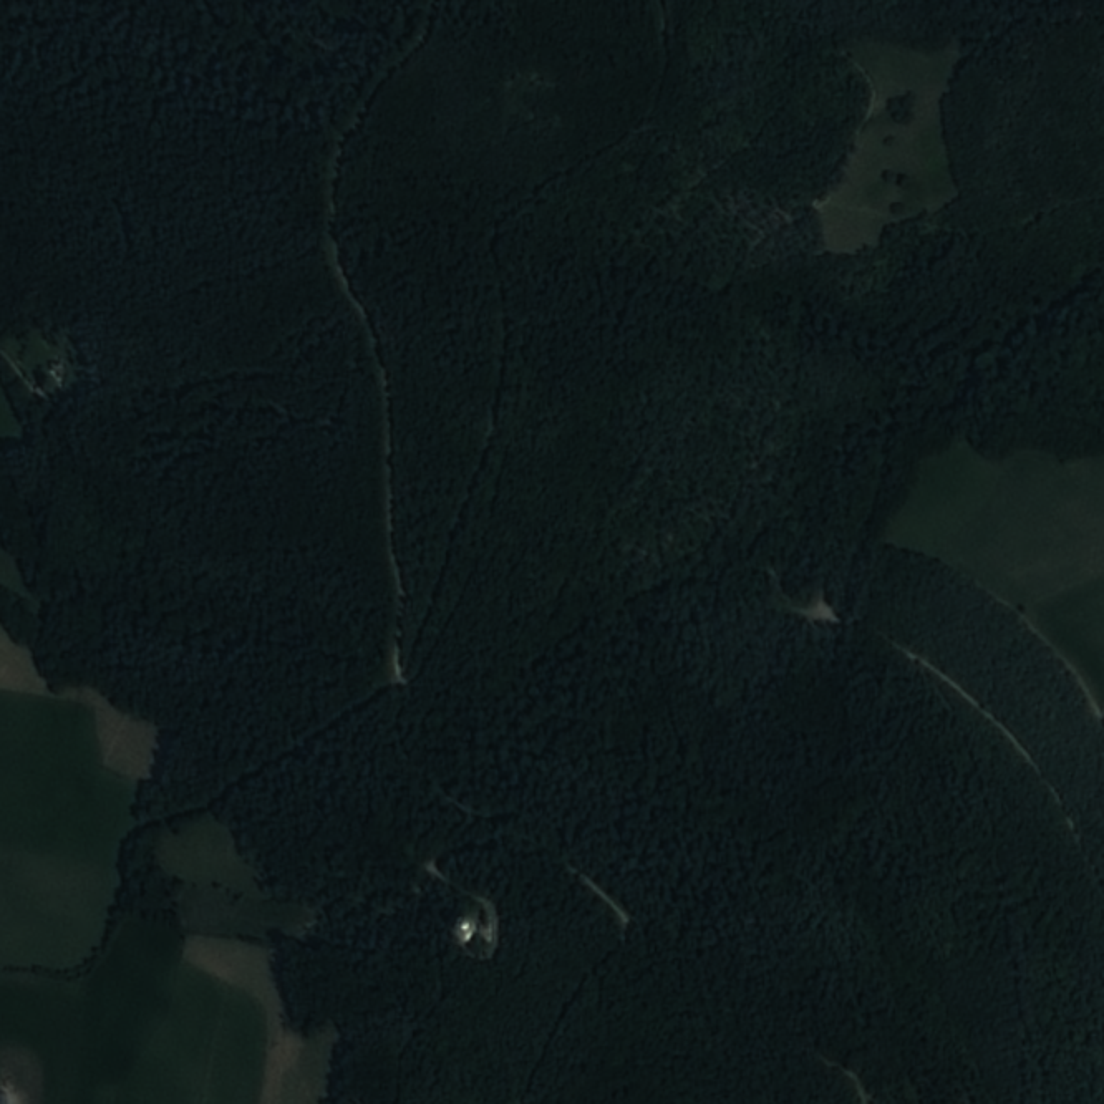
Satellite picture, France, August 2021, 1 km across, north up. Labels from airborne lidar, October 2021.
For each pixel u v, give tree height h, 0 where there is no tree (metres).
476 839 17
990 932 14
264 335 23
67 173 28
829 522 26
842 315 18
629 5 21
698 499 20
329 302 23
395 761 24
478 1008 14
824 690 20
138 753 0
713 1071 19
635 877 31
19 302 23
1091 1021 16
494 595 12
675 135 13
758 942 30
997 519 0
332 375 20
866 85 7
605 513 17
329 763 33
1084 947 14
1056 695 9
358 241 26
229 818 18
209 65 8
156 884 17
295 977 27
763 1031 18
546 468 13
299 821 31
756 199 20
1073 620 0
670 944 24
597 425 15
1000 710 11
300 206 22
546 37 11
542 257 16
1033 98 13
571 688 11
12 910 0
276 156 29
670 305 26
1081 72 10
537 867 28
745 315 15
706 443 25
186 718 24
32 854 0
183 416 24
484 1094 16
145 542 16
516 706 26
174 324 28
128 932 0
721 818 25
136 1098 0
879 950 8
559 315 27
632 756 14
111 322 28
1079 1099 19
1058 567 0
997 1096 10
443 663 20
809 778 30
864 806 19
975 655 12
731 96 19
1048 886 19
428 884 19
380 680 20
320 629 18
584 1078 24
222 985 0
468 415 18
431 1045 19
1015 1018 10
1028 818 12
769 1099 18
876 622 19
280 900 10
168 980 0
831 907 16
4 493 30
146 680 32
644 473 24
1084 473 0
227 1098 0
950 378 24
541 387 22
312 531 22
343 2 21
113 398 25
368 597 24
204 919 0
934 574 14
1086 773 11
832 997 17
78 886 0
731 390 23
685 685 17
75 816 0
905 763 15
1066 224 12
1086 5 26
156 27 26
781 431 14
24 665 0
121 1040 0
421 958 23
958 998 9
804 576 25
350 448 21
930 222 13
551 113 11
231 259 28
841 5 24
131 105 27
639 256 18
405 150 8
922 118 0
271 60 18
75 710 0
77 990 0
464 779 22
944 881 12
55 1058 0
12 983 0
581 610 22
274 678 34
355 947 13
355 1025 23
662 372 17
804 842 22
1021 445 14
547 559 16
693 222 9
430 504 25
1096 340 32
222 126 25
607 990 20
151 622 24
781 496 27
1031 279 16
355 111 18
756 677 22
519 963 21
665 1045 22
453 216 17
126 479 25
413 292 34
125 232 12
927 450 18
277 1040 0
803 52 15
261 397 28
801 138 16
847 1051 9
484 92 10
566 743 29
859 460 36
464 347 27
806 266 13
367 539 18
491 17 21
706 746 29
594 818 31
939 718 11
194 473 29
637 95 12
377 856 25
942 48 13
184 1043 0
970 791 15
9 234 23
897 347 27
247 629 15
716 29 7
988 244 23
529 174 11
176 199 28
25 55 16
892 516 10
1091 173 14
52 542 26
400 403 17
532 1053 22
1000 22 20
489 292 28
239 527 27
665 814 27
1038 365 33
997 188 9
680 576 23
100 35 29
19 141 27
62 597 27
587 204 14
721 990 18
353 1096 26
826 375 12
